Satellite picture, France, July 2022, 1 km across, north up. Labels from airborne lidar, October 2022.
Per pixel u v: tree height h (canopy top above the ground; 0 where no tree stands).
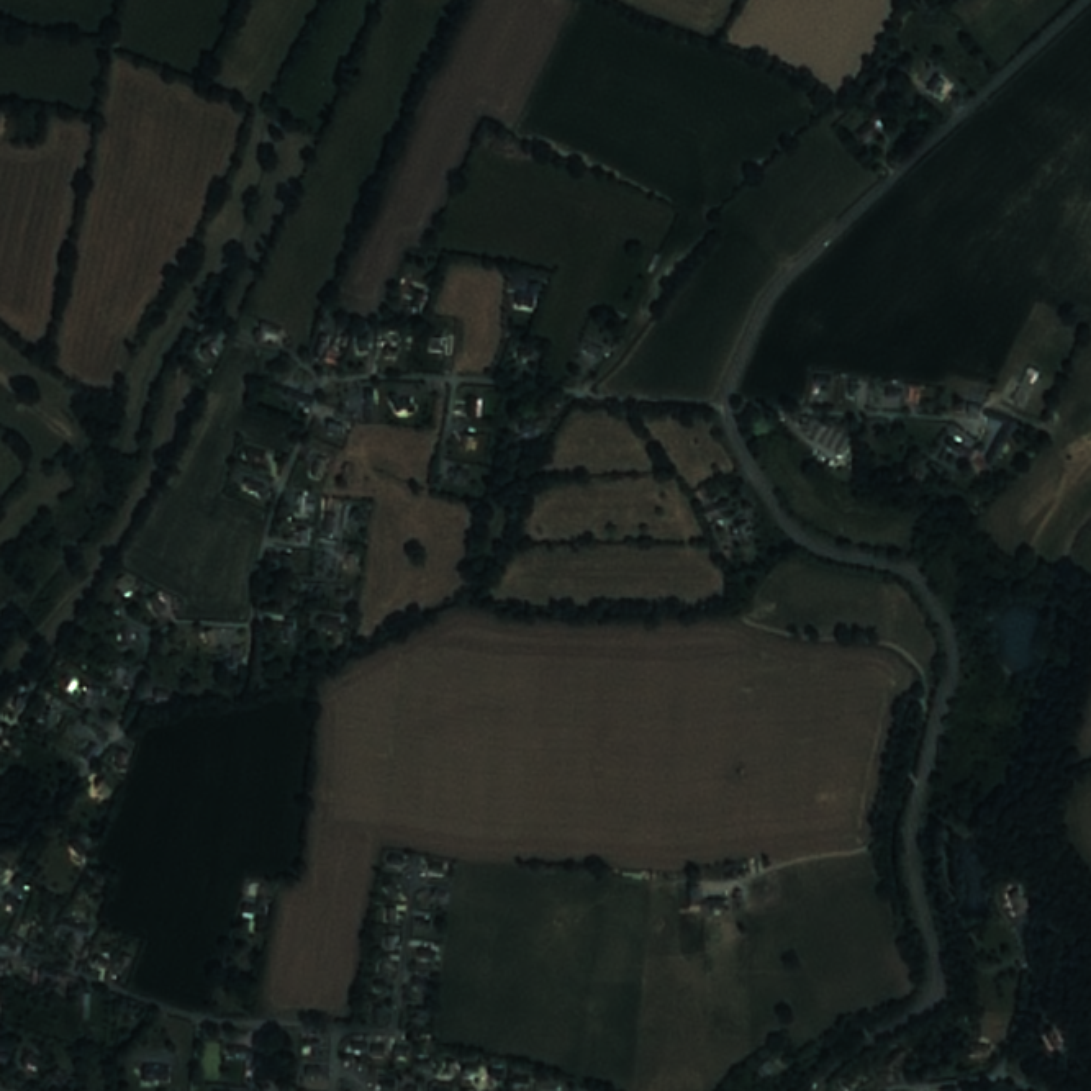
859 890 0
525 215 0
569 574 0
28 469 12
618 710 0
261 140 0
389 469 0
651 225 0
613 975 0
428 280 7
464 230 0
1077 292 0
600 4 16
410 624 17
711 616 16
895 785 17
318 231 0
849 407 0
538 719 0
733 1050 0
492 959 0
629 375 0
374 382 8
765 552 7
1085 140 0
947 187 0
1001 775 0
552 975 0
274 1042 21
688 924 0
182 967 0
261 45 0
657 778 0
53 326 9
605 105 0
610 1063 0
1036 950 15
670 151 0
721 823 0
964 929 21
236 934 14
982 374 0
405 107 11
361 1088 0
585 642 0
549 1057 0
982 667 6
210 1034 15
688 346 0
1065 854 13
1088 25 0
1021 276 0
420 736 0
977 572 9
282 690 22
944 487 17
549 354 7
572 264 0
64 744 0
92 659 10
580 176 13
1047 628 10
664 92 0
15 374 0
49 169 0
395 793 0
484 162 0
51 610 0
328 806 0
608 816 0
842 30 0
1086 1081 18
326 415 0
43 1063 7
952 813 7
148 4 0
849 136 19
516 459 14
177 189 0
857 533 0
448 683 0
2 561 9
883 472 13
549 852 0
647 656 0
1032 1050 15
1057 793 17
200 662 6
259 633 14
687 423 12
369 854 0
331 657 11
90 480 0
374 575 0
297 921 0
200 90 18
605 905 0
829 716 0
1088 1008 15
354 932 0
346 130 0
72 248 13
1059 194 0
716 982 0
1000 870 21
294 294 0
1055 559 0
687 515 0
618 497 0
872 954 0
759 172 20
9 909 0
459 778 0
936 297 0
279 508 5
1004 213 0
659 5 0
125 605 8
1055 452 0
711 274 0
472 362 0
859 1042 18
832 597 0
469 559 6
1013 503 0
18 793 12
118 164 0
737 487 7
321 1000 0
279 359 8
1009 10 0
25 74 0
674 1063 0
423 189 0
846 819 0
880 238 0
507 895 0
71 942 10
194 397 7
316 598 9
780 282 0
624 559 0
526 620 14
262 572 15
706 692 0
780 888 0
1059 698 15
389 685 0
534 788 0
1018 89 0
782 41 0
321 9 12
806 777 0
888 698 0
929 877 10
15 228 0
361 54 14
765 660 0
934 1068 22
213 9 0
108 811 7
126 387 22
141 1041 11
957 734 8
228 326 13
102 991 16
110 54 6
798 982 0
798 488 0
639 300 0
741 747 0
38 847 17
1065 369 10
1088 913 21
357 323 13
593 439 0
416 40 0
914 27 0
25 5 0
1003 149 0
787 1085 14
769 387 0
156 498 10
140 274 0
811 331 0
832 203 0
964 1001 14
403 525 0
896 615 0
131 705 8
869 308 0
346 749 0
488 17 0
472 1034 0
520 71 0
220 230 0
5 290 0
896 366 0
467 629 0
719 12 0
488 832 0
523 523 13
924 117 10
